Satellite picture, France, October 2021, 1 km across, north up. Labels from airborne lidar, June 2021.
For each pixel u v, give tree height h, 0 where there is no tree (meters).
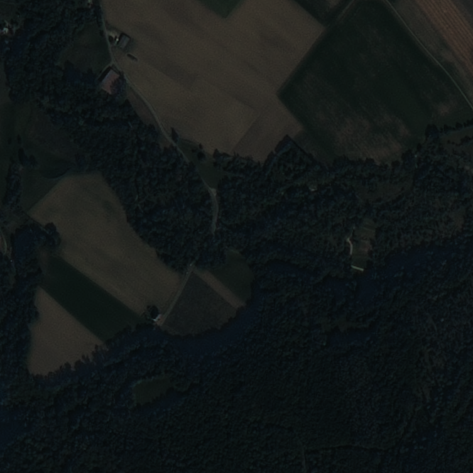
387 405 22
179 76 0
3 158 0
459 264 17
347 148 0
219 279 0
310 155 0
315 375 24
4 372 28
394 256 6
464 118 0
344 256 9
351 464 8
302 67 0
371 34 0
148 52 0
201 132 0
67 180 0
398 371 25
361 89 0
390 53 0
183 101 0
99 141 20
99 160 20
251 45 0
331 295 23
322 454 16
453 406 21
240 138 0
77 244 0
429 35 0
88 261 0
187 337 0
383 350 30
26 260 24
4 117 0
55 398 23
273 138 0
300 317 18
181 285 0
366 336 16
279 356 19
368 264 0
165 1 0
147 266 0
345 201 21
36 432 23
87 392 24
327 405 25
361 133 0
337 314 21
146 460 22
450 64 0
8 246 0
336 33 0
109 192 0
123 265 0
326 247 9
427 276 18
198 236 18
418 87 0
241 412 23
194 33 0
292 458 21
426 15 0
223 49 0
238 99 0
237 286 0
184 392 12
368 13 0
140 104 0
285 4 0
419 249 7
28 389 20
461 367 19
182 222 21
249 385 24
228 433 22
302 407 21
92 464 18
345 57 0
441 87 0
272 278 24
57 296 0
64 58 0
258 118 0
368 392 18
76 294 0
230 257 0
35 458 30
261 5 0
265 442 17
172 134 0
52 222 0
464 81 0
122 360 23
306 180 17
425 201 9
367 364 19
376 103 0
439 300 16
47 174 0
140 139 26
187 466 20
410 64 0
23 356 21
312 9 0
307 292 21
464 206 14
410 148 0
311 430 22
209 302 0
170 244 19
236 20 0
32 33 22
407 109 0
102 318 0
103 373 29
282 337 21
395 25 0
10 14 0
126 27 0
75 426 22
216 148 0
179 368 26
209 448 24
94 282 0
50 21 20
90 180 0
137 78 0
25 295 19
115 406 16
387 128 0
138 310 0
